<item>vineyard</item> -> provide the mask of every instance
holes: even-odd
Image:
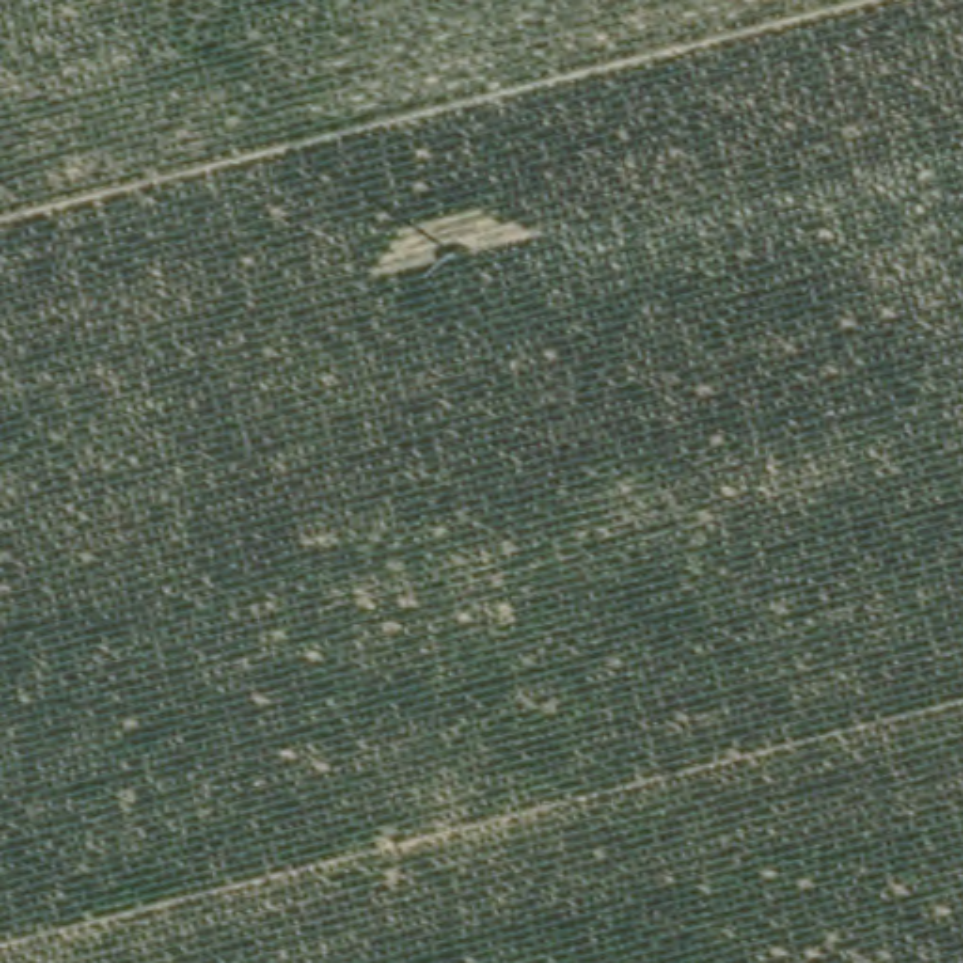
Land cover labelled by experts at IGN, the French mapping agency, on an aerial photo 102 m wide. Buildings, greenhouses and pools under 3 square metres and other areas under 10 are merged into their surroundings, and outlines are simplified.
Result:
[[[963,0],[0,0],[0,963],[963,963]]]

